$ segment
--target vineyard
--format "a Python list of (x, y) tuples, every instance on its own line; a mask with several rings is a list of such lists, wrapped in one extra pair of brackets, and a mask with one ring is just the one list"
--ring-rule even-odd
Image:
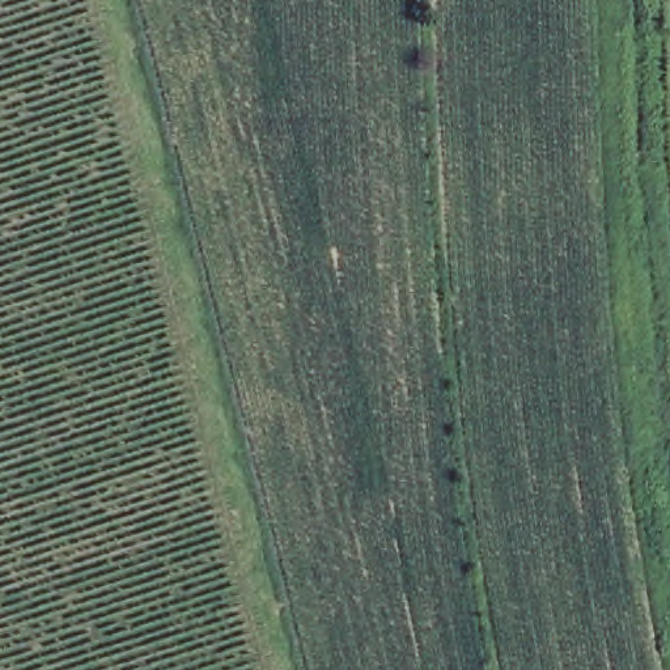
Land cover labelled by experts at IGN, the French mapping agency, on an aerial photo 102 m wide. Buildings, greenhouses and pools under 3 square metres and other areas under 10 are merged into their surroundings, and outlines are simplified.
[(131, 199), (131, 181), (128, 170), (123, 168), (123, 154), (118, 144), (118, 120), (113, 113), (102, 113), (102, 99), (107, 94), (99, 55), (94, 44), (81, 47), (92, 39), (86, 37), (86, 29), (60, 34), (65, 26), (76, 24), (76, 16), (86, 10), (86, 0), (0, 0), (0, 670), (246, 670), (243, 665), (249, 662), (249, 652), (243, 646), (238, 612), (233, 612), (236, 589), (225, 576), (225, 565), (207, 565), (204, 560), (196, 560), (196, 555), (215, 552), (222, 544), (220, 529), (209, 516), (209, 497), (204, 492), (204, 476), (209, 474), (212, 463), (207, 458), (196, 458), (196, 450), (188, 448), (194, 442), (194, 432), (188, 429), (188, 414), (183, 414), (183, 400), (175, 393), (175, 377), (170, 369), (170, 343), (165, 335), (165, 314), (152, 288), (154, 272), (152, 259), (147, 256), (147, 233), (139, 222), (136, 202)]

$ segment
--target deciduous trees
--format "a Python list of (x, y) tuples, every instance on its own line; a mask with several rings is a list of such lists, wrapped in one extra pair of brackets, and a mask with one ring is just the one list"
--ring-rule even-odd
[(424, 50), (419, 68), (424, 65), (437, 76), (437, 63), (448, 60), (448, 47), (440, 39), (432, 37), (432, 44)]
[(419, 24), (429, 24), (429, 3), (424, 0), (403, 0), (403, 18)]

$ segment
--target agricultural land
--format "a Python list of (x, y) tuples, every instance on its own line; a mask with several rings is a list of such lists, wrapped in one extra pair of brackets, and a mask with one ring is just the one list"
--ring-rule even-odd
[[(238, 421), (249, 448), (262, 513), (270, 526), (272, 555), (283, 581), (283, 599), (277, 599), (280, 628), (288, 639), (293, 639), (298, 652), (298, 665), (293, 670), (489, 670), (476, 584), (471, 576), (474, 568), (482, 571), (487, 591), (497, 660), (492, 670), (670, 670), (670, 667), (665, 662), (665, 649), (657, 649), (654, 644), (654, 623), (646, 594), (641, 542), (628, 492), (628, 471), (633, 471), (633, 432), (631, 411), (626, 408), (626, 374), (620, 369), (615, 319), (615, 241), (610, 238), (610, 230), (602, 230), (602, 139), (586, 128), (586, 120), (591, 120), (591, 115), (597, 115), (602, 107), (602, 102), (594, 102), (594, 94), (605, 89), (607, 81), (599, 34), (599, 0), (424, 0), (429, 3), (429, 24), (445, 24), (445, 34), (440, 39), (448, 47), (448, 60), (437, 63), (437, 76), (437, 105), (429, 107), (429, 99), (421, 99), (416, 89), (419, 68), (424, 50), (419, 47), (419, 24), (403, 18), (403, 0), (133, 0), (141, 39), (154, 73), (165, 136), (170, 141), (175, 175), (183, 207), (188, 212), (191, 238), (196, 246), (199, 267), (194, 267), (194, 277), (199, 285), (202, 311), (212, 311), (215, 319)], [(453, 270), (453, 293), (437, 298), (434, 246), (440, 243), (445, 267)], [(468, 482), (468, 505), (479, 544), (479, 560), (474, 563), (463, 557), (458, 544), (458, 479)]]

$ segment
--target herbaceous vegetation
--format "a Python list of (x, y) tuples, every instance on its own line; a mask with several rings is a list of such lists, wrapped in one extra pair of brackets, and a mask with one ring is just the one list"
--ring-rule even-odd
[(432, 37), (440, 39), (445, 34), (445, 24), (429, 24), (419, 24), (419, 47), (424, 50), (432, 44)]
[(424, 65), (419, 68), (416, 89), (421, 99), (429, 99), (429, 107), (437, 105), (437, 76)]
[(434, 246), (437, 298), (453, 293), (453, 270), (445, 267), (440, 243)]
[(196, 560), (204, 560), (207, 565), (225, 565), (225, 576), (236, 589), (233, 612), (238, 612), (243, 646), (249, 652), (249, 662), (243, 665), (246, 670), (293, 670), (298, 665), (298, 652), (293, 639), (288, 639), (280, 628), (277, 599), (283, 599), (283, 581), (272, 555), (270, 526), (262, 513), (249, 448), (238, 421), (215, 319), (212, 311), (202, 311), (199, 285), (194, 277), (194, 267), (199, 267), (196, 246), (191, 238), (188, 212), (183, 207), (175, 175), (170, 141), (165, 136), (154, 73), (141, 39), (133, 0), (86, 0), (86, 10), (76, 16), (76, 24), (65, 26), (60, 34), (86, 29), (86, 37), (92, 39), (81, 47), (94, 44), (99, 55), (107, 94), (102, 99), (102, 113), (113, 113), (118, 120), (118, 144), (123, 154), (123, 168), (128, 170), (131, 181), (131, 199), (136, 202), (139, 222), (147, 233), (147, 256), (152, 259), (154, 272), (152, 288), (165, 314), (165, 335), (170, 343), (170, 369), (175, 377), (175, 393), (183, 400), (183, 414), (188, 414), (188, 429), (194, 432), (194, 442), (188, 448), (196, 450), (196, 458), (207, 458), (212, 463), (209, 474), (204, 476), (204, 492), (209, 497), (209, 516), (220, 529), (222, 544), (215, 552), (196, 555)]
[(476, 584), (489, 670), (492, 670), (497, 660), (487, 591), (482, 571), (474, 568), (471, 576)]
[(599, 0), (599, 34), (607, 81), (605, 89), (594, 94), (594, 102), (602, 102), (602, 107), (597, 115), (591, 115), (591, 120), (586, 120), (586, 128), (602, 139), (602, 230), (610, 230), (610, 238), (615, 241), (615, 319), (620, 369), (626, 374), (626, 408), (631, 411), (633, 432), (633, 471), (628, 471), (628, 492), (641, 542), (646, 594), (654, 623), (654, 644), (657, 649), (665, 649), (665, 662), (670, 667), (670, 0)]
[(458, 544), (463, 557), (474, 563), (479, 560), (479, 544), (468, 505), (468, 482), (458, 479)]

